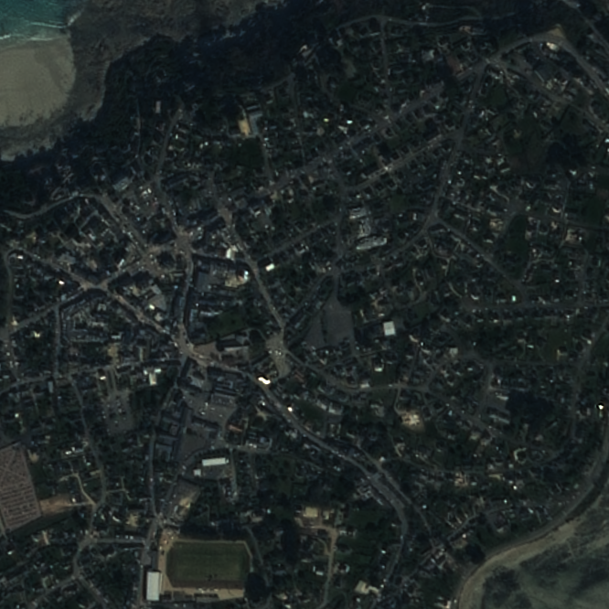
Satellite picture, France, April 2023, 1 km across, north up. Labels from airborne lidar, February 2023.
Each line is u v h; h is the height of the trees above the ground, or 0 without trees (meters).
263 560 7
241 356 9
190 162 6
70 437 7
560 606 0
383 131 0
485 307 0
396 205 0
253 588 25
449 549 13
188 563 0
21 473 0
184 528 10
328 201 13
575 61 8
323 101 15
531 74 0
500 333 10
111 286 6
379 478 0
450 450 7
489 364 0
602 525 0
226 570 0
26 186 25
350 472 18
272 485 14
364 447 6
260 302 0
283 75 10
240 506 8
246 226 9
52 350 7
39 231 13
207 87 17
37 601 0
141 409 10
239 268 0
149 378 0
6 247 11
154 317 0
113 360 0
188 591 0
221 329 13
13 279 0
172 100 12
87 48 0
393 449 6
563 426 6
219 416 0
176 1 0
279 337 0
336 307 0
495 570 0
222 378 0
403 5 10
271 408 0
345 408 7
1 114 0
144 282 0
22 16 0
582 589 0
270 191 0
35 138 0
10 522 0
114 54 0
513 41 0
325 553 0
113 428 0
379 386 0
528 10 17
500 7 12
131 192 0
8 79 0
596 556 0
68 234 9
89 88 0
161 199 14
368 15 0
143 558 0
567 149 19
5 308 7
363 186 0
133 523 0
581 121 0
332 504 6
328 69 15
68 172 25
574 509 0
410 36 10
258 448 0
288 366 0
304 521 0
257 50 23
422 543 14
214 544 0
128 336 0
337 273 0
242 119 0
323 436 0
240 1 0
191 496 0
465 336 6
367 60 10
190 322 0
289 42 27
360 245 0
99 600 0
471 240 0
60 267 0
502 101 0
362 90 6
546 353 0
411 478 7
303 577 11
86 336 0
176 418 0
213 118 8
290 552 23
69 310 0
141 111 9
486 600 0
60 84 0
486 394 0
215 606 10
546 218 0
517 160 0
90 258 11
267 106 0
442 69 22
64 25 0
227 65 21
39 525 0
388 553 12
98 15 0
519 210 0
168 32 0
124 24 0
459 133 0
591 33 0
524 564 0
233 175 0
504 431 10
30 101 0
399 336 10
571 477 7
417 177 0
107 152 6
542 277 0
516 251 0
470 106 0
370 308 11
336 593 0
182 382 0
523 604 0
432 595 0
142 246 9
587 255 0
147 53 5
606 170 11
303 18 21
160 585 0
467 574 0
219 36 0
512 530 11
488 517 0
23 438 0
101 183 13
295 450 7
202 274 0
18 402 0
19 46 0
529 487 7
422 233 0
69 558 7
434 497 8
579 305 0
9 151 0
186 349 0
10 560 6
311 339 0
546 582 0
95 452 0
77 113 0
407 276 0
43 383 0
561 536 0
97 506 0
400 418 8
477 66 0
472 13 0
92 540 0
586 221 0
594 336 0
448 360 0
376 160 0
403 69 13
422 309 0
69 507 0
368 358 0
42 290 15
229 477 0
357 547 0
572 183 6
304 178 8
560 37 0
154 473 0
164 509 0
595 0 0
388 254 0
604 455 0
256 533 16
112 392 0
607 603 0
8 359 0
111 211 0
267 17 19
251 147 0
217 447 0
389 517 12
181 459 0
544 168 7
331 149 0
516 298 0
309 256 11
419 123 0
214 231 0
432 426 0
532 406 20
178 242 0
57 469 0
